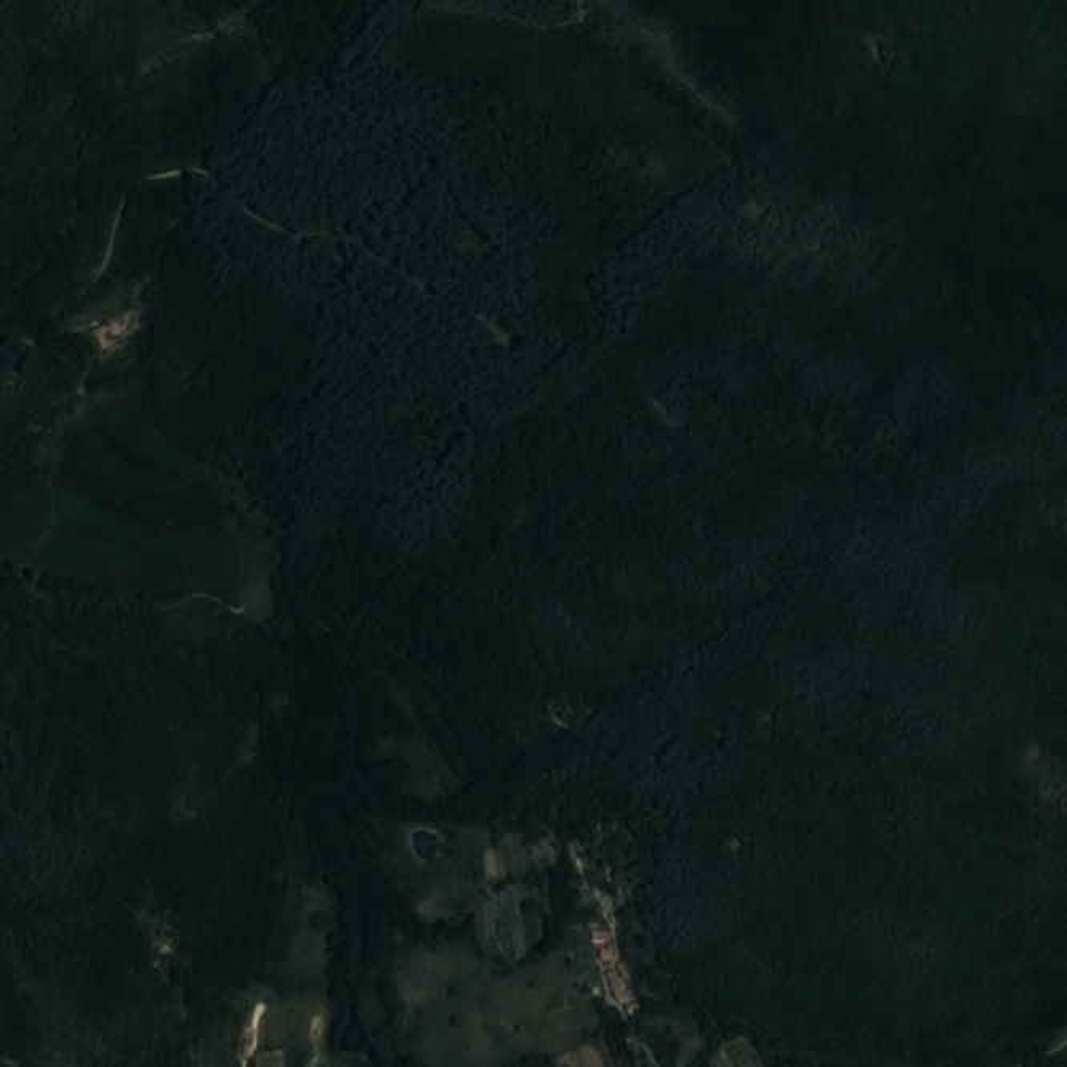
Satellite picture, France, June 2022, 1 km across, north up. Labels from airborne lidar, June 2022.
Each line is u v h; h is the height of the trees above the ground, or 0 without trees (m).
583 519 13
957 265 18
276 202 31
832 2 20
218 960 15
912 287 15
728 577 12
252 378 21
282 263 31
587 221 17
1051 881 15
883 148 19
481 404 31
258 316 21
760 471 18
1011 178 16
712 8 21
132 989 14
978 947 12
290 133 31
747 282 12
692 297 20
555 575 11
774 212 10
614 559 10
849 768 15
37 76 19
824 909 13
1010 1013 18
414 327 31
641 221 14
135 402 6
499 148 19
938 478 12
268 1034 0
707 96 9
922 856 9
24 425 13
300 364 29
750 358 17
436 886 0
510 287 30
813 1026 15
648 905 9
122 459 8
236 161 32
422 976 0
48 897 18
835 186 14
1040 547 9
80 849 19
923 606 12
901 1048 12
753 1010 16
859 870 16
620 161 7
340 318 35
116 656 8
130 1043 9
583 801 11
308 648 22
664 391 9
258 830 15
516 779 21
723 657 18
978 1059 7
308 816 10
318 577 16
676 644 12
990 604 14
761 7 21
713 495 17
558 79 8
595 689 5
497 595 17
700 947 14
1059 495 9
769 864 14
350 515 27
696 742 19
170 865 11
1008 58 16
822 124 14
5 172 9
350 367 34
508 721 13
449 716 16
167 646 8
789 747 16
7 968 5
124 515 8
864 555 14
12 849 16
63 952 13
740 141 7
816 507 17
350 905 18
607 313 25
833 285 13
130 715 15
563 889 7
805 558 16
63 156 16
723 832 12
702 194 15
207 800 7
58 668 9
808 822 14
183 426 10
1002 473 11
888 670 14
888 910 14
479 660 19
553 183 20
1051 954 15
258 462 31
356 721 23
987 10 13
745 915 13
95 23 8
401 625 13
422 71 17
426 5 25
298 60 17
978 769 11
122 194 15
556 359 13
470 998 0
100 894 17
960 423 16
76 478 8
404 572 17
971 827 13
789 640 18
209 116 19
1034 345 21
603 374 16
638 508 12
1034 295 20
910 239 14
